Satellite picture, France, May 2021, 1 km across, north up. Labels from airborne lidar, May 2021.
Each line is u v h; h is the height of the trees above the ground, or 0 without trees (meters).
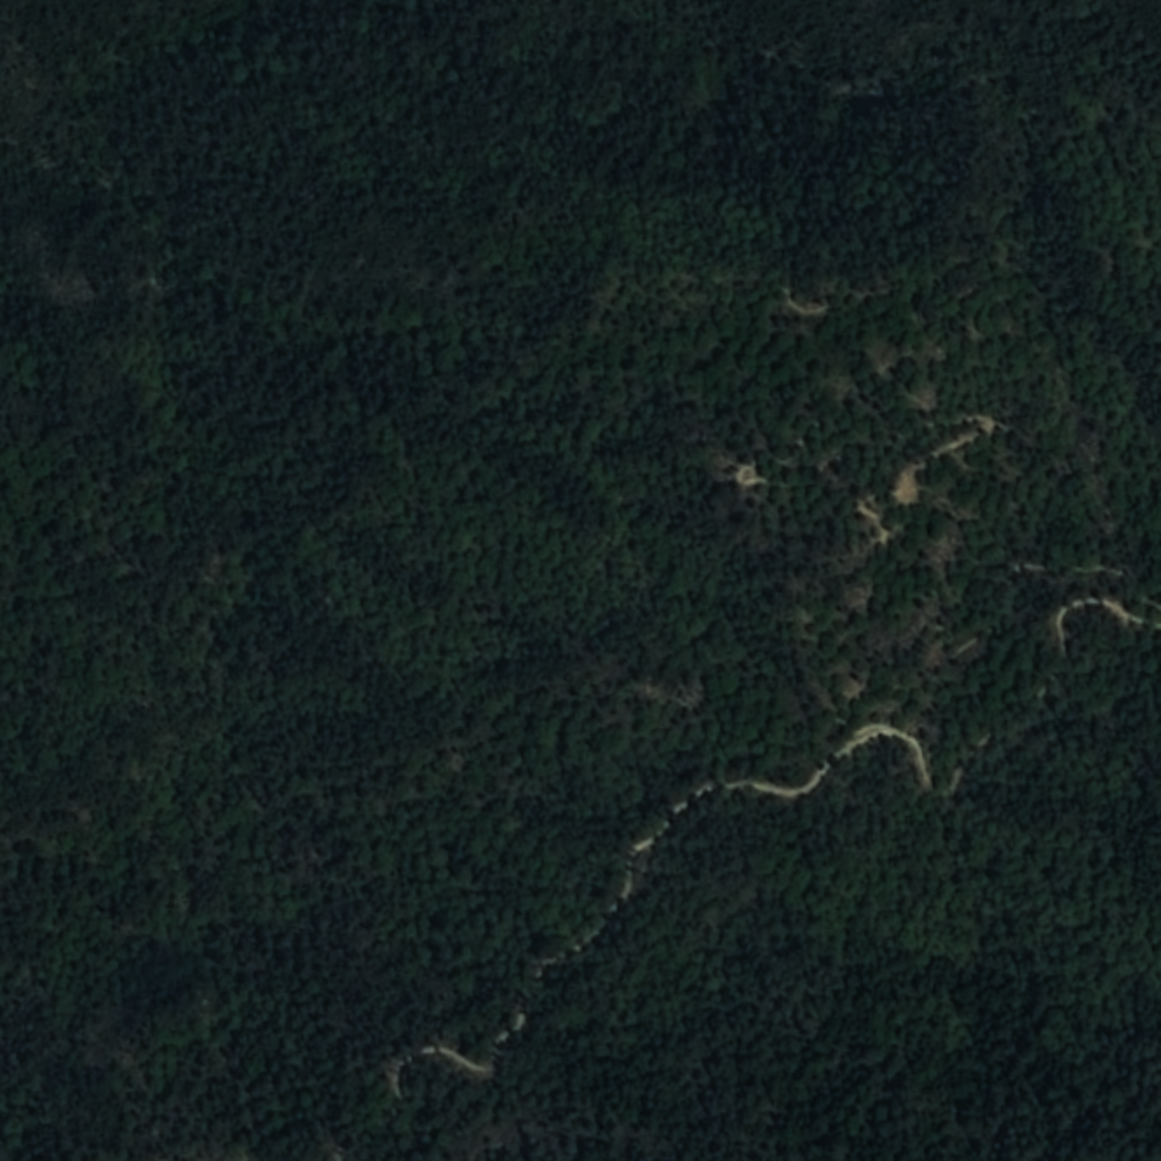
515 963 15
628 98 21
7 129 9
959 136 16
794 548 22
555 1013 22
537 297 17
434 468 18
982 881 22
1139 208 17
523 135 7
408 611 20
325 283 6
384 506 15
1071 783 22
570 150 20
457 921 17
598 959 14
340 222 15
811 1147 17
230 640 21
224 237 9
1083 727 23
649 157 19
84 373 15
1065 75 19
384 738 21
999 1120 29
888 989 11
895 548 15
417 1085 26
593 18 9
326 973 17
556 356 12
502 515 23
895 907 16
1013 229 14
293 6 10
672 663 16
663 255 12
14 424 19
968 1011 26
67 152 7
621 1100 19
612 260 17
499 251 13
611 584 10
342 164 14
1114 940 19
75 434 14
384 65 15
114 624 11
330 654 24
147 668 15
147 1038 24
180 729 25
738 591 18
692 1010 19
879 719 7
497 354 8
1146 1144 18
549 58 21
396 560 23
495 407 12
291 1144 24
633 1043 11
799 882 19
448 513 21
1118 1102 27
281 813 17
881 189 21
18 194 7
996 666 20
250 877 25
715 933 14
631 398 17
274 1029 15
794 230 24
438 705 18
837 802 13
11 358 19
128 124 20
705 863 21
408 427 18
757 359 14
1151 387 19
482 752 15
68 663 18
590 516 18
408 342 21
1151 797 20
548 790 10
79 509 11
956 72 12
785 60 14
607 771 13
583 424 13
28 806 19
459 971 20
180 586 18
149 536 21
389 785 17
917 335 11
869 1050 26
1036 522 23
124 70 27
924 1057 26
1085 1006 20
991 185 6
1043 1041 25
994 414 10
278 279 8
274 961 7
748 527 19
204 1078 26
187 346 15
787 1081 24
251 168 6
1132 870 15
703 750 16
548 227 15
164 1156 18
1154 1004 22
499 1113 21
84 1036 19
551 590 12
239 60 14
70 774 22
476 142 7
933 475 19
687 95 7
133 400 29
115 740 21
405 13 20
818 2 7
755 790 18
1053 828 18
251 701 17
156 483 12
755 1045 19
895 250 20
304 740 17
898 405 15
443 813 16
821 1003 33
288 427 21
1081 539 21
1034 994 18
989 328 20
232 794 17
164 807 18
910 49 16
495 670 12
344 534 18
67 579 20
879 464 15
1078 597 13
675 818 20
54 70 11
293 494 21
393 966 13
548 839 20
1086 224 21
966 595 13
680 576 20
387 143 7
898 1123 22
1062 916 20
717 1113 21
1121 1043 29
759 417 20
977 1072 15
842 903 18
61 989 17
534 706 21
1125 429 23
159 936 11
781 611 23
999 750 16
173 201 10
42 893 13
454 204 20
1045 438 17
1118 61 11
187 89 9
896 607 15
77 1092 9
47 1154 7
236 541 20
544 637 10
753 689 21
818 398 16
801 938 24
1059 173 15
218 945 20
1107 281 13
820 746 16
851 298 18
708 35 11
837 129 10
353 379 7
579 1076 28
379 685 19
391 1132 19
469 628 13
